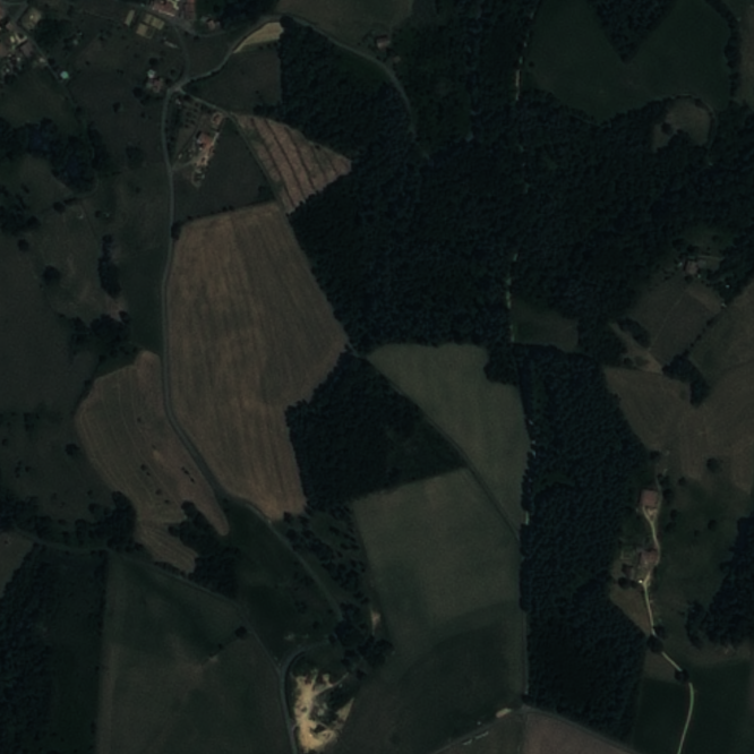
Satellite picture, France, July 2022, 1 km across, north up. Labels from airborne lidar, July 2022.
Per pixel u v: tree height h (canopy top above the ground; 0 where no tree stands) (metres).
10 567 0
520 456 0
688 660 0
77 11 11
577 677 17
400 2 0
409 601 0
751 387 0
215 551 8
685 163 18
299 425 22
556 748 0
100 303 0
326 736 0
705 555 0
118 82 0
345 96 20
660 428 0
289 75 17
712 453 0
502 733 0
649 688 0
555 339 0
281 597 0
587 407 27
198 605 0
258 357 0
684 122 0
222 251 0
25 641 8
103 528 14
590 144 12
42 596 15
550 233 23
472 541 0
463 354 0
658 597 0
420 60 7
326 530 0
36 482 0
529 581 27
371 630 17
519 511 0
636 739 0
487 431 0
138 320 0
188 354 0
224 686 0
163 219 0
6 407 0
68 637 0
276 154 0
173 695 0
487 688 0
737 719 0
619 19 24
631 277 18
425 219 25
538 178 15
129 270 0
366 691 0
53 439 0
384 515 0
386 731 0
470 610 0
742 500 0
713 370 0
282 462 0
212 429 0
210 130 0
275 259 0
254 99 0
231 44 0
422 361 0
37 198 0
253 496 0
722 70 0
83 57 0
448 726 0
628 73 0
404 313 8
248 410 0
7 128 21
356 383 25
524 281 17
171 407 0
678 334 0
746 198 30
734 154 9
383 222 15
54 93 0
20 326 0
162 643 0
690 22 0
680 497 0
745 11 0
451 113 15
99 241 0
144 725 0
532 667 8
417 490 0
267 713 0
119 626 0
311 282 0
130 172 0
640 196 18
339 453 26
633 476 6
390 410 26
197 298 0
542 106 19
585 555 33
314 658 0
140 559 0
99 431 0
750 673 0
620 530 18
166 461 0
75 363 0
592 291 24
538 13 9
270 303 0
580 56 0
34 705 15
